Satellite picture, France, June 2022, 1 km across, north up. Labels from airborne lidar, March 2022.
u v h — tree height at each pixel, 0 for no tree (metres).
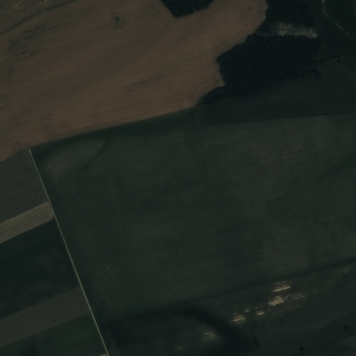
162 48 0
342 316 0
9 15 0
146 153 0
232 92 18
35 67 0
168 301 0
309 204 0
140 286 0
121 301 0
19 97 0
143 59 0
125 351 0
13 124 0
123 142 0
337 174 0
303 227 0
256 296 0
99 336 0
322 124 0
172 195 0
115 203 0
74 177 0
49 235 0
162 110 0
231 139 0
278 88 0
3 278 0
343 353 0
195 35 0
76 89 0
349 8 0
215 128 0
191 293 0
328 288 0
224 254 0
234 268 0
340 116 0
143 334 0
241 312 0
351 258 0
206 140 0
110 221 0
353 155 0
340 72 0
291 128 0
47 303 0
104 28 0
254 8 0
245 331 0
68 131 0
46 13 0
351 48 0
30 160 0
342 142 0
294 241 0
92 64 0
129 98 0
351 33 0
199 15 0
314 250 0
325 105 0
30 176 0
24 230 0
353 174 0
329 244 0
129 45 0
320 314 0
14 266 0
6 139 0
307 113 0
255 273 0
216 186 0
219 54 0
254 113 0
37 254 0
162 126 0
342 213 0
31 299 0
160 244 0
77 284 0
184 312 0
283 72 24
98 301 0
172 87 0
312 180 0
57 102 0
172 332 0
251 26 0
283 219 0
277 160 0
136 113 0
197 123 0
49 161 0
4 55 0
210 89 0
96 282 0
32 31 0
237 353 0
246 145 0
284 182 0
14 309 0
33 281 0
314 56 18
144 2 0
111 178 0
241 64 21
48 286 0
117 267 0
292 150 0
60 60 0
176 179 0
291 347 0
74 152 0
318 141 0
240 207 0
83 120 0
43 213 0
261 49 19
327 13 0
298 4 17
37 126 0
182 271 0
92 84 0
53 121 0
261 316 0
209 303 0
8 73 0
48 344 0
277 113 0
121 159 0
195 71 0
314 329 0
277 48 17
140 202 0
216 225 0
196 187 0
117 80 0
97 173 0
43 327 0
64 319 0
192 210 0
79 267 0
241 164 0
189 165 0
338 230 0
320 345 0
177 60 0
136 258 0
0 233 0
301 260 0
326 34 0
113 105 0
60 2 0
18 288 0
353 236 0
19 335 0
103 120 0
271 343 0
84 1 0
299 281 0
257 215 0
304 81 0
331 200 0
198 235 0
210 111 0
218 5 0
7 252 0
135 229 0
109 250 0
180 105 0
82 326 0
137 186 0
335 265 0
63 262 0
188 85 0
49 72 0
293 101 0
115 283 0
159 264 0
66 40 0
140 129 0
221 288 0
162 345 0
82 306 0
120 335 0
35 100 0
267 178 0
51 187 0
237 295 0
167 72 0
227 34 0
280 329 0
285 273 0
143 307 0
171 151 0
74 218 0
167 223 0
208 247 0
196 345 0
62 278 0
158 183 0
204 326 0
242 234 0
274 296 0
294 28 0
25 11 0
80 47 0
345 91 0
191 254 0
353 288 0
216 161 0
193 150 0
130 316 0
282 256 0
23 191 0
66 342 0
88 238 0
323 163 0
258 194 0
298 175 0
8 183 0
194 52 0
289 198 0
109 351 0
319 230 0
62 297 0
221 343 0
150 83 0
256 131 0
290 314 0
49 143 0
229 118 0
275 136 0
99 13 0
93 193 0
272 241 0
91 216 0
